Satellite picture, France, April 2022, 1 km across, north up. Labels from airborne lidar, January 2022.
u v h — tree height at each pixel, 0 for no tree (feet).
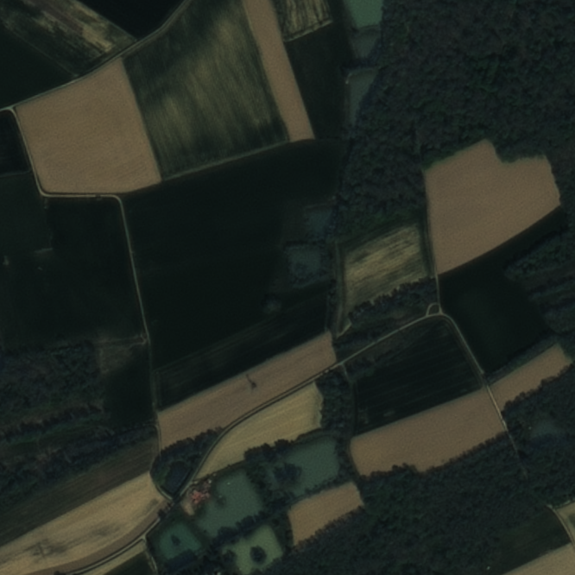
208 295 0
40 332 0
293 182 0
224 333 0
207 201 0
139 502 0
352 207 93
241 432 0
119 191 0
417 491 84
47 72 0
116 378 0
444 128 101
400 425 0
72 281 0
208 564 58
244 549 0
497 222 0
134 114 0
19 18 0
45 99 0
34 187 0
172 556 0
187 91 0
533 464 84
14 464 0
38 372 98
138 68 0
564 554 0
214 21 0
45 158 0
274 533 0
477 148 0
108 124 0
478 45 110
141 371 0
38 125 0
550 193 0
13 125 0
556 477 78
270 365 0
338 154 0
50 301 0
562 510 0
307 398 0
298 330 0
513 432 51
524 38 103
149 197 0
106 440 73
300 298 0
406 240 0
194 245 0
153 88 0
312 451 0
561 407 73
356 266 0
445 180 0
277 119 0
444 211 0
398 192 112
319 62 0
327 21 0
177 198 0
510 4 110
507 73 63
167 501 0
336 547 85
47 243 0
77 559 0
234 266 0
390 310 80
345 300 0
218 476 0
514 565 0
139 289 0
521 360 52
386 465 0
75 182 0
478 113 98
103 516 0
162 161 0
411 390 0
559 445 60
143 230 0
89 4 0
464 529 73
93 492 0
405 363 0
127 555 0
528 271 73
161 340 0
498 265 0
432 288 65
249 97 0
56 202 0
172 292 0
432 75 98
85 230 0
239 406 0
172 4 0
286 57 0
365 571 86
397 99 103
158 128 0
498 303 0
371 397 0
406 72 96
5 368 72
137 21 0
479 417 0
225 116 0
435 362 0
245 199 0
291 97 0
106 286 0
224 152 0
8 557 0
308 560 73
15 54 0
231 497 0
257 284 0
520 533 0
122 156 0
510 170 0
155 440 0
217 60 0
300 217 0
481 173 0
